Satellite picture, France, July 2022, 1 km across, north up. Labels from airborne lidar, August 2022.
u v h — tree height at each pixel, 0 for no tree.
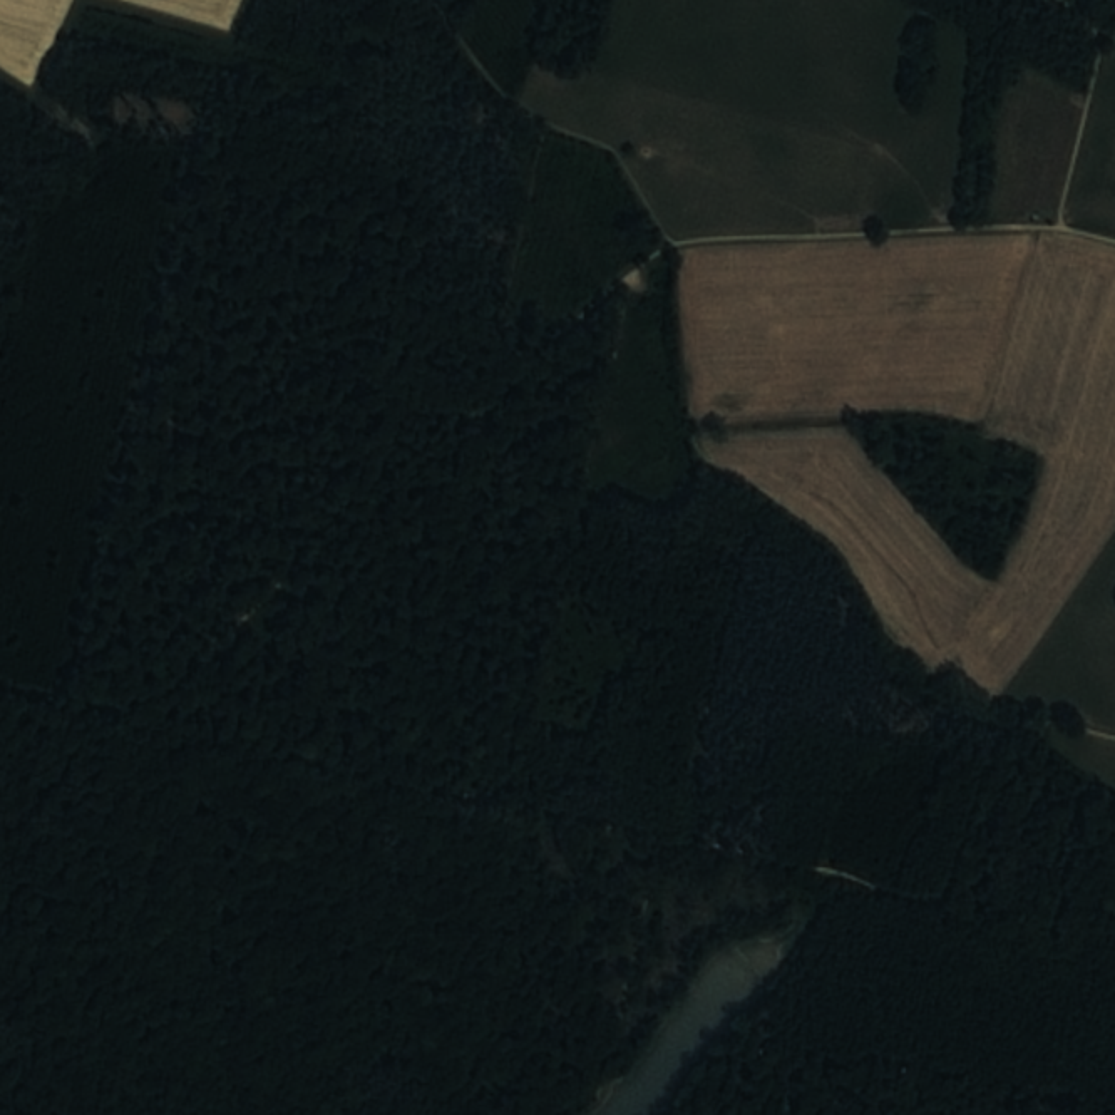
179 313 23
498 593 25
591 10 9
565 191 0
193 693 28
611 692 17
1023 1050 18
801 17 0
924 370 0
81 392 5
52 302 9
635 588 20
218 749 24
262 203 27
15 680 6
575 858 24
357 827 26
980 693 24
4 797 23
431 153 36
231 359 26
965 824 16
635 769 17
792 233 0
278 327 26
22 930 23
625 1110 0
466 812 25
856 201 0
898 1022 16
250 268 30
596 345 26
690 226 0
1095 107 0
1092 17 21
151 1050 25
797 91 0
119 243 6
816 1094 25
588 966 23
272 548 26
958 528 11
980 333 0
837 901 15
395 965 26
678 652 16
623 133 0
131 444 27
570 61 24
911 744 9
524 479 25
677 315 11
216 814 24
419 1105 22
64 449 6
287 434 26
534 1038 22
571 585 20
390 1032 27
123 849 27
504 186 23
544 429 27
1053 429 0
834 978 16
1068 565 0
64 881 27
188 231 26
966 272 0
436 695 22
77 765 23
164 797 28
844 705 20
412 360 24
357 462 25
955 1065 16
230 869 27
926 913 16
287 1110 22
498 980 25
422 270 21
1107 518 0
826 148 0
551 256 0
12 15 0
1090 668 0
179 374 23
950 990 18
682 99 0
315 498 27
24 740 23
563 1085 22
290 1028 23
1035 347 0
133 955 26
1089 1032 17
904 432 20
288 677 17
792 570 20
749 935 10
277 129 20
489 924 25
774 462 0
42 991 22
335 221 28
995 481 16
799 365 0
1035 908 27
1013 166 0
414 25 24
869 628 20
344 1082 24
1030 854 23
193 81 24
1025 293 0
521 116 22
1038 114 0
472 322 26
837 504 0
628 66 0
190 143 12
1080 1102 25
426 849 26
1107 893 27
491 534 14
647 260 13
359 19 21
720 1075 21
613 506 23
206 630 13
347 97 20
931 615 0
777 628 27
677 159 0
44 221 9
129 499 25
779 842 20
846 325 0
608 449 0
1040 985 17
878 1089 24
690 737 19
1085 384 0
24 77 0
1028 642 0
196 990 23
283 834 21
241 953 23
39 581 7
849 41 0
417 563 19
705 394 0
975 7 14
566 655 6
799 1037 18
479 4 26
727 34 0
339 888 23
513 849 24
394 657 25
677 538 21
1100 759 0
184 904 28
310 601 25
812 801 20
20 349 8
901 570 0
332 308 26
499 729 23
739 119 0
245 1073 25
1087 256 0
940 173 0
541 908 30
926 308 0
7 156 23
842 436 0
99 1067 20
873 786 11
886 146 0
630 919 20
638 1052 16
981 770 16
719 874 19
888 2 0
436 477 19
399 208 28
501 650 25
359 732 25
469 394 26
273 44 15
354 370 24
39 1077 29
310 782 27
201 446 26
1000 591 0
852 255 0
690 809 17
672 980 15
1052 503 0
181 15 0
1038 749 22
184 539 30
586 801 18
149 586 26
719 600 17
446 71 28
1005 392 0
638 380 0
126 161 7
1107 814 25
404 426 28
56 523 6
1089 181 0
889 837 14
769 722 24
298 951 27
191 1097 25
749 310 0
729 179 0
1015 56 12
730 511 24
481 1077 21
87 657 26
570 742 18
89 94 16
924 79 21
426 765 26
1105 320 0
